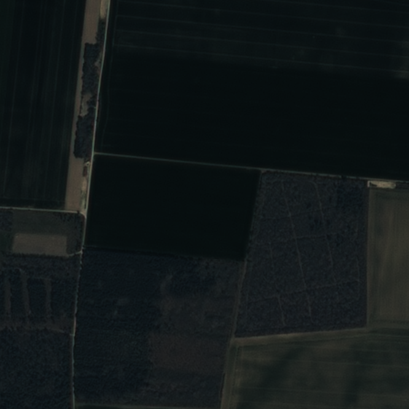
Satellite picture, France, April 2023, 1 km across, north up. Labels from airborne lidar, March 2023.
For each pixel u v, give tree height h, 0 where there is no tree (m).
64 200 0
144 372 10
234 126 0
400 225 0
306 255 13
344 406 0
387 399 0
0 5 0
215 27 0
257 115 0
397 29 0
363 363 0
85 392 10
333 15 0
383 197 0
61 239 0
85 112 0
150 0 0
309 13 0
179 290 11
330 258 14
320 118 0
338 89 0
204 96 0
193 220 0
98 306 8
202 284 8
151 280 10
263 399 0
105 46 0
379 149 0
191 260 8
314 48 0
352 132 0
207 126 0
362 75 0
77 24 0
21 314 13
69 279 12
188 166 0
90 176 0
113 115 0
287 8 0
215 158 0
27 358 17
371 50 0
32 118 0
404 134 0
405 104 0
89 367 12
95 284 10
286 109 0
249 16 0
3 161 0
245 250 0
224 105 0
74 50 0
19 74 0
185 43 0
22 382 14
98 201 0
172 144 0
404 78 0
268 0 0
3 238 0
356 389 0
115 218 0
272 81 0
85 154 10
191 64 0
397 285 0
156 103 0
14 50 0
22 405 15
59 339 15
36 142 0
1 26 0
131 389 9
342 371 0
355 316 14
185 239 0
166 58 0
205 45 0
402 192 0
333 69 0
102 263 10
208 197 0
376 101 0
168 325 6
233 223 0
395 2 0
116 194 0
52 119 0
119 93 0
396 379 0
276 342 0
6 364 13
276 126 0
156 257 9
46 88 0
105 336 11
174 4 0
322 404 0
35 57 0
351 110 0
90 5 0
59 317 14
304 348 0
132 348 11
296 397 0
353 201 19
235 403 0
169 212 0
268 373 0
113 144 0
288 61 0
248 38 0
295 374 0
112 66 0
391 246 0
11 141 0
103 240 0
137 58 0
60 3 0
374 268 0
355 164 0
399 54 0
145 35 0
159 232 0
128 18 0
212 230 0
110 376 9
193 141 0
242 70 0
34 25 0
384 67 0
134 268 11
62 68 0
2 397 13
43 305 16
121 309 10
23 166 0
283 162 0
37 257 11
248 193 0
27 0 0
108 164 0
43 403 14
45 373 16
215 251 0
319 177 10
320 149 0
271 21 0
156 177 0
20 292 13
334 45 0
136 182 0
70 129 0
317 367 0
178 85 0
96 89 9
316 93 0
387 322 0
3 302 14
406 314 0
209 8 0
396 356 0
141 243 0
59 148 0
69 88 0
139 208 0
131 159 0
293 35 0
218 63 0
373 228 0
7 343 17
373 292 0
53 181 0
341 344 0
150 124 0
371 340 0
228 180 0
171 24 0
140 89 0
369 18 0
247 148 0
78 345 10
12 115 0
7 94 0
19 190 0
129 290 10
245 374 0
